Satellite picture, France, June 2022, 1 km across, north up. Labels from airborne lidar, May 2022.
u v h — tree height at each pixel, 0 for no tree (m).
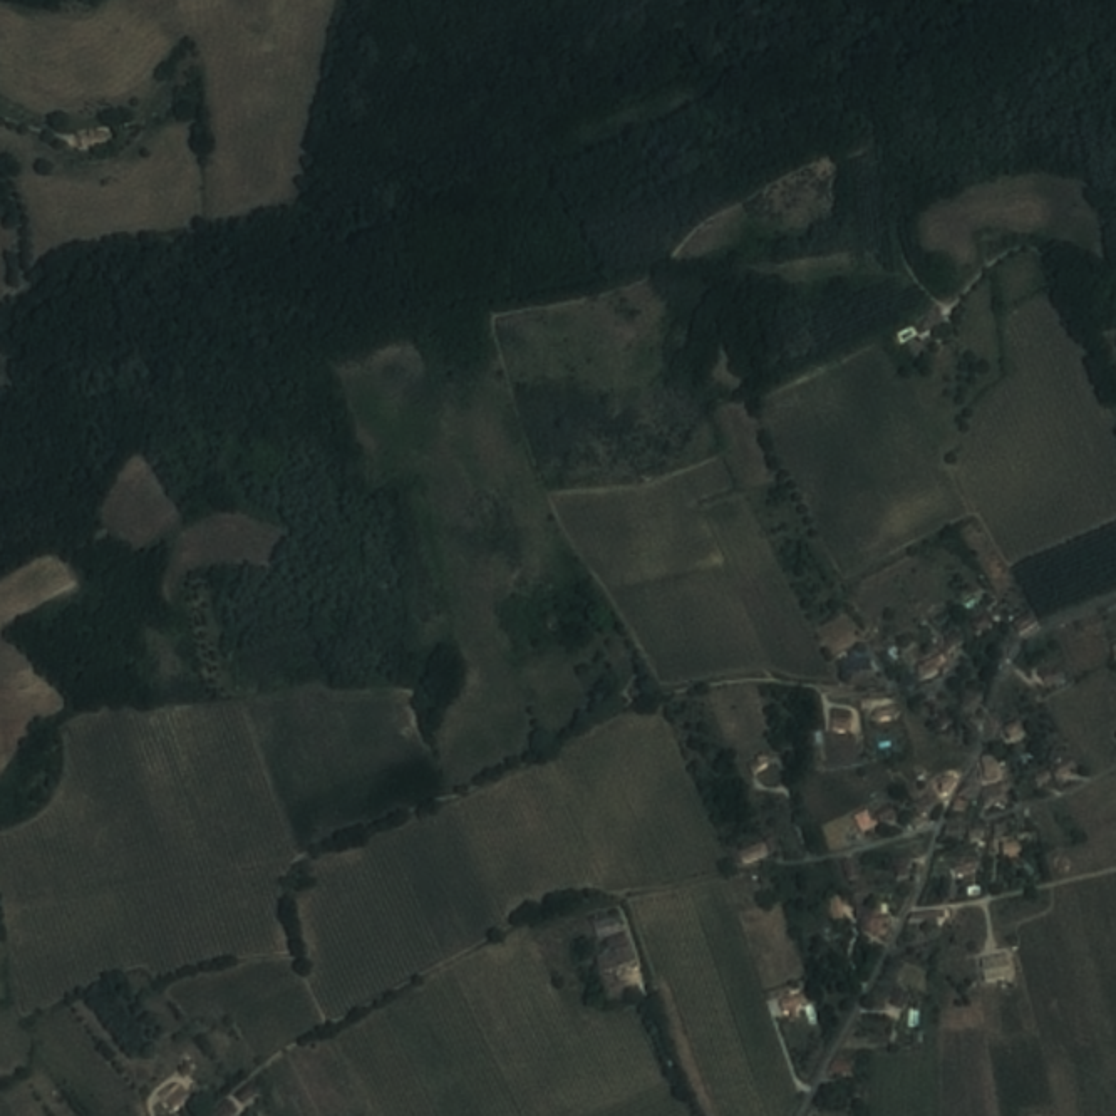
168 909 0
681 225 12
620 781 0
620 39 27
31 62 0
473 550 0
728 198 12
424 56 20
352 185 28
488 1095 0
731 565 0
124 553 16
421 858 0
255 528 0
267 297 20
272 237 24
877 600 0
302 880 6
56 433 23
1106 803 0
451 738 0
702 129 19
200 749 0
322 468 19
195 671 9
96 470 21
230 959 12
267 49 0
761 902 11
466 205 9
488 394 0
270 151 0
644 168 22
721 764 12
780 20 24
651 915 0
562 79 18
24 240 12
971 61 25
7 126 8
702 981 0
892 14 25
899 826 8
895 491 0
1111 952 0
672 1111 0
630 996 16
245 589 19
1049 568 11
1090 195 19
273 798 0
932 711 7
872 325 12
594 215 17
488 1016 0
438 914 0
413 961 0
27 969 0
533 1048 0
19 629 16
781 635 0
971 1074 0
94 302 22
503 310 9
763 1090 0
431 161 20
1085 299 18
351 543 7
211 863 0
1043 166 19
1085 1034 0
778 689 9
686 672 0
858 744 0
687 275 19
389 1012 0
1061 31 17
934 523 0
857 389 0
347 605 16
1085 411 0
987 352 0
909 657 0
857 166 10
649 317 0
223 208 0
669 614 0
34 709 0
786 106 20
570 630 9
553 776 0
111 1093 0
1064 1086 0
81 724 0
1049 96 19
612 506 0
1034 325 0
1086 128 30
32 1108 0
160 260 19
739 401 14
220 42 0
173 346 19
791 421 0
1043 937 0
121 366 23
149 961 0
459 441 0
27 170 0
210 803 0
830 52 20
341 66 19
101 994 16
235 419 18
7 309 16
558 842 0
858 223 10
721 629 0
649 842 0
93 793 0
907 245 11
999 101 24
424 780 0
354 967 0
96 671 15
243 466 13
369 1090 0
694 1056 0
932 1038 0
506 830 0
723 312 16
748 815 9
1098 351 20
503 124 20
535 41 15
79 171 0
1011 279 0
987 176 14
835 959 11
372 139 20
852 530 0
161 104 0
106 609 14
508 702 0
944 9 17
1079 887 0
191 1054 0
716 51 26
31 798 7
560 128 9
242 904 0
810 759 10
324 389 14
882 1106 0
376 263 27
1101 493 0
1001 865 6
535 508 0
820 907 7
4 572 15
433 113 19
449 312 9
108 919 0
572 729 12
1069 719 0
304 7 0
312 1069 0
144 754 0
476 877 0
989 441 0
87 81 0
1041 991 0
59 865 0
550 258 6
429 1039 0
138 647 13
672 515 0
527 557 0
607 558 0
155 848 0
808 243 17
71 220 0
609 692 12
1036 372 0
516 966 0
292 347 17
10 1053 0
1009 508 0
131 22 0
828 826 0
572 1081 0
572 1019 0
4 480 20
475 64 17
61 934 0
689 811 0
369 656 16
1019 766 6
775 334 10
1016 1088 0
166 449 11
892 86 22
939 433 0
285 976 0
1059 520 0
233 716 0
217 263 17
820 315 12
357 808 0
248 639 13
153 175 0
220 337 18
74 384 16
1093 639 0
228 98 0
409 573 11
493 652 0
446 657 17
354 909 0
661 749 0
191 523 7
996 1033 0
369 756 0
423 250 9
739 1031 0
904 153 14
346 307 23
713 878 0
